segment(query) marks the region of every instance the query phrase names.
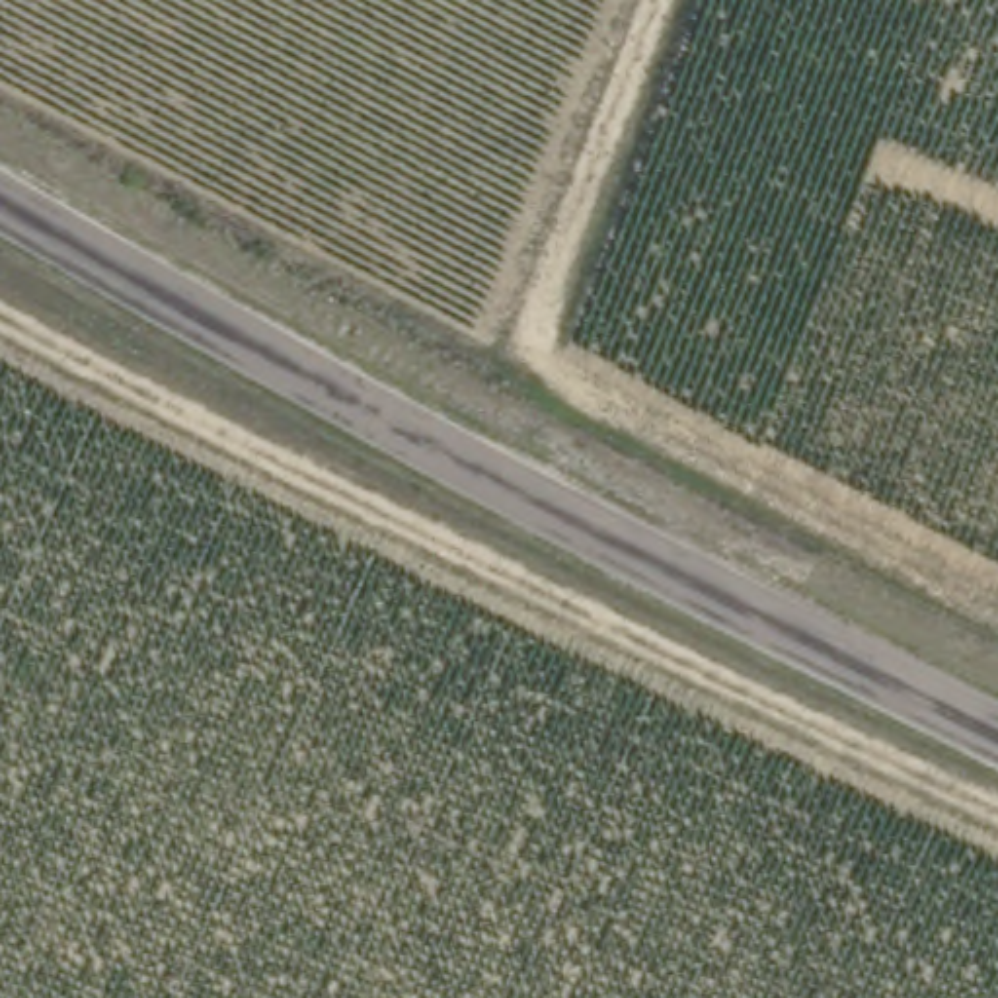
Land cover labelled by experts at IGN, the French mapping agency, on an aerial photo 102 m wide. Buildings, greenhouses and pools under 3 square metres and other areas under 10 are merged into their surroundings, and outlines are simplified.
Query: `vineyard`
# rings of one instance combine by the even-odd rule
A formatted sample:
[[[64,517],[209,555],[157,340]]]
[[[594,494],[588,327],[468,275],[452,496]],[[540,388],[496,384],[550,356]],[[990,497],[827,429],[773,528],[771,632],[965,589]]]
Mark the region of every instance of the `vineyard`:
[[[148,191],[152,199],[168,203],[172,214],[179,214],[187,226],[218,234],[230,246],[242,246],[246,238],[261,234],[273,246],[281,246],[292,261],[316,261],[331,277],[355,281],[359,288],[378,292],[382,300],[394,300],[460,339],[491,343],[495,351],[515,359],[515,331],[538,277],[538,261],[557,226],[565,191],[585,152],[589,129],[600,113],[604,90],[620,62],[639,0],[0,0],[0,97],[27,105],[27,121],[39,133],[55,136],[78,160],[97,164],[121,187]]]
[[[807,768],[787,752],[772,752],[768,745],[725,729],[706,713],[686,713],[671,698],[639,686],[620,671],[573,655],[483,604],[472,604],[448,589],[421,581],[398,561],[382,557],[378,550],[339,542],[331,526],[320,526],[285,503],[265,499],[261,491],[242,487],[238,480],[226,480],[148,441],[136,429],[101,417],[90,405],[66,402],[39,378],[0,363],[0,998],[998,998],[998,858],[924,819],[901,815],[897,807],[842,780]]]
[[[585,351],[596,351],[624,374],[639,374],[647,386],[663,390],[694,413],[713,417],[741,441],[780,448],[799,464],[826,472],[838,483],[865,491],[885,507],[904,511],[924,530],[936,530],[998,561],[998,0],[674,0],[647,82],[639,90],[635,113],[620,140],[616,164],[608,168],[600,203],[593,211],[589,234],[565,285],[557,339]]]

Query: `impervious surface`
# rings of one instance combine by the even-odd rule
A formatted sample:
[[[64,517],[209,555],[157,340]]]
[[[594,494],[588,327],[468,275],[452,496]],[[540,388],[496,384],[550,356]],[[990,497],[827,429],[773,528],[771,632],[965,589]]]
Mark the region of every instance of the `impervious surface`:
[[[764,659],[784,663],[807,674],[811,682],[823,682],[854,698],[858,706],[869,706],[998,772],[998,698],[979,694],[975,686],[912,659],[908,651],[854,624],[842,624],[826,608],[752,577],[745,565],[702,550],[682,534],[659,530],[612,507],[608,499],[561,476],[557,468],[444,417],[425,402],[413,402],[398,386],[355,366],[351,359],[339,359],[316,339],[292,331],[288,324],[269,320],[250,304],[238,304],[218,285],[179,269],[164,253],[117,234],[109,222],[86,214],[62,191],[39,183],[35,175],[8,168],[0,175],[0,238],[16,250],[31,250],[43,265],[66,269],[74,281],[97,288],[101,300],[125,304],[164,335],[183,339],[195,351],[207,351],[222,366],[355,433],[359,441],[390,452],[394,460],[417,468],[441,487],[503,515],[511,526],[573,554],[577,561],[600,569],[608,581],[628,585],[690,616],[694,624],[721,632],[760,651]]]

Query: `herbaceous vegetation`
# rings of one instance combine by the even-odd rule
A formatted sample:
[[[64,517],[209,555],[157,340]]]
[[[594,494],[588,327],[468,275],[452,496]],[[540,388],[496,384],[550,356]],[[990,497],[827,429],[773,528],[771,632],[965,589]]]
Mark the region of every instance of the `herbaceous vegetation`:
[[[924,819],[998,858],[998,772],[869,706],[858,706],[854,698],[823,682],[811,682],[807,674],[784,663],[764,659],[760,651],[721,632],[694,624],[690,616],[628,585],[608,581],[600,569],[577,561],[573,554],[511,526],[503,515],[441,487],[417,468],[394,460],[390,452],[359,441],[355,433],[222,366],[207,351],[195,351],[183,339],[164,335],[125,304],[101,300],[97,288],[74,281],[66,269],[43,265],[31,250],[16,250],[0,238],[0,363],[39,378],[66,402],[90,405],[101,417],[136,429],[148,441],[226,480],[238,480],[242,487],[261,491],[265,499],[285,503],[320,526],[331,526],[339,542],[378,550],[382,557],[398,561],[421,581],[448,589],[472,604],[483,604],[573,655],[620,671],[639,686],[671,698],[686,713],[706,713],[725,729],[768,745],[772,752],[787,752],[807,768],[842,780],[897,807],[901,815]]]
[[[561,476],[608,499],[612,507],[659,530],[682,534],[702,550],[745,565],[752,577],[826,608],[842,624],[854,624],[908,651],[912,659],[975,686],[979,694],[998,698],[998,561],[936,530],[924,530],[904,511],[885,507],[865,491],[838,483],[826,472],[799,464],[780,448],[741,441],[713,417],[694,413],[663,390],[647,386],[639,374],[624,374],[596,351],[585,351],[577,359],[581,378],[593,382],[600,394],[600,405],[593,413],[569,405],[526,363],[515,359],[495,351],[491,343],[460,339],[394,300],[382,300],[378,292],[359,288],[355,281],[331,277],[316,261],[292,261],[281,246],[273,246],[261,234],[246,238],[242,246],[230,246],[218,234],[187,226],[179,214],[172,214],[168,203],[152,199],[148,191],[121,187],[97,164],[78,160],[55,136],[39,133],[27,121],[27,105],[0,97],[0,175],[8,168],[35,175],[39,183],[62,191],[86,214],[109,222],[117,234],[164,253],[179,269],[218,285],[238,304],[250,304],[269,320],[288,324],[292,331],[316,339],[339,359],[351,359],[355,366],[398,386],[413,402],[425,402],[444,417],[557,468]]]

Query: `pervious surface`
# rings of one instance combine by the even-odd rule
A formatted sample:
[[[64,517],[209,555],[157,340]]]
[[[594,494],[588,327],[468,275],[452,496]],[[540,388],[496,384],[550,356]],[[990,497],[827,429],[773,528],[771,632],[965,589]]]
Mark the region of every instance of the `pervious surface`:
[[[581,378],[577,359],[585,351],[557,339],[565,285],[589,234],[593,211],[600,203],[608,168],[616,164],[620,140],[635,113],[639,90],[647,82],[674,0],[639,0],[620,62],[604,90],[600,113],[589,129],[585,152],[565,191],[557,226],[538,261],[538,277],[515,331],[515,359],[526,363],[569,405],[593,413],[600,405],[600,394],[593,382]]]

